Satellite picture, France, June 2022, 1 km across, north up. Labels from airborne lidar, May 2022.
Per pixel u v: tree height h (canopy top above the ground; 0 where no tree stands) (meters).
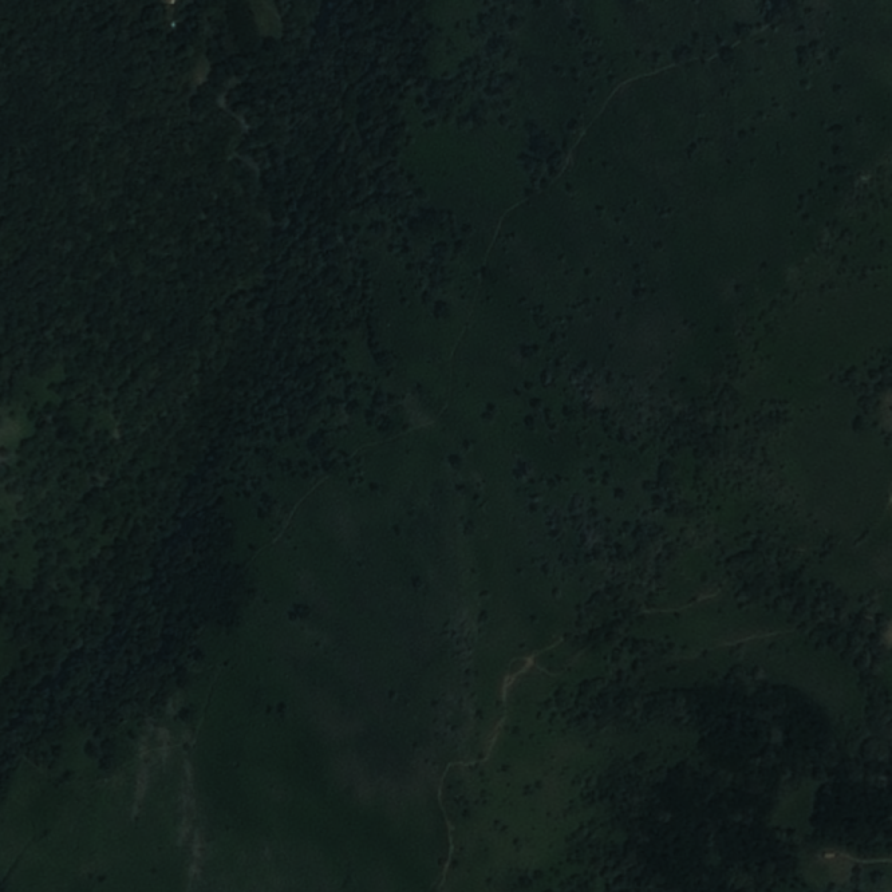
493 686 0
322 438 16
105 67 19
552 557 0
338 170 20
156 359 19
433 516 0
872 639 14
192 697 0
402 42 13
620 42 0
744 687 19
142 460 19
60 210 18
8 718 9
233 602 11
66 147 21
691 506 12
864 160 0
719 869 14
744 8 0
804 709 19
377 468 0
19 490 17
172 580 17
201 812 0
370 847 0
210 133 22
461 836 0
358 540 0
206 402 23
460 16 0
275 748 0
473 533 13
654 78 0
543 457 0
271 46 24
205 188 27
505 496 0
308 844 0
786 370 0
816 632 8
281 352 23
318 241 10
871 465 0
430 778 0
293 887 0
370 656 0
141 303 19
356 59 27
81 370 15
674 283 0
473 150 0
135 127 22
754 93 0
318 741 0
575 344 0
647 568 12
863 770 14
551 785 0
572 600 0
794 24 0
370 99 20
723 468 8
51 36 18
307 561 0
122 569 23
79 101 18
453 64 0
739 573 17
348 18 29
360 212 11
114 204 22
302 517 0
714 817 26
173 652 19
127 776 0
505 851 0
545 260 0
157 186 30
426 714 0
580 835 8
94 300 23
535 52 0
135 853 0
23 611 21
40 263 21
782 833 17
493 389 0
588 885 14
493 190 0
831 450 0
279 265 26
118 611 20
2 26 18
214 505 12
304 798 0
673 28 0
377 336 12
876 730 16
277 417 8
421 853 0
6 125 23
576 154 0
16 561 9
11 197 20
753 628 0
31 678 12
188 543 26
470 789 0
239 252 26
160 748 0
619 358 0
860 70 0
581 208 0
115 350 14
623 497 12
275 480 11
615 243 0
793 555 12
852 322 0
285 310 19
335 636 0
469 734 0
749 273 0
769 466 9
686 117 0
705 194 0
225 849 0
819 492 0
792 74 0
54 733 18
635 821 12
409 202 15
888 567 0
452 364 0
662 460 6
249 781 0
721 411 10
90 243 18
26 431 0
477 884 0
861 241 8
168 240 22
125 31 17
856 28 0
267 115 26
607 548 7
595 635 15
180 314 23
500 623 0
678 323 0
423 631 0
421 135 0
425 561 0
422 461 0
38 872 0
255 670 0
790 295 11
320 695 0
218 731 0
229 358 21
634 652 15
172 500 22
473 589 0
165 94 25
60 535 16
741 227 0
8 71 17
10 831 0
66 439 18
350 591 0
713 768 8
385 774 0
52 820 0
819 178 0
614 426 10
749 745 24
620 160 0
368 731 0
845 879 0
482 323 0
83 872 0
